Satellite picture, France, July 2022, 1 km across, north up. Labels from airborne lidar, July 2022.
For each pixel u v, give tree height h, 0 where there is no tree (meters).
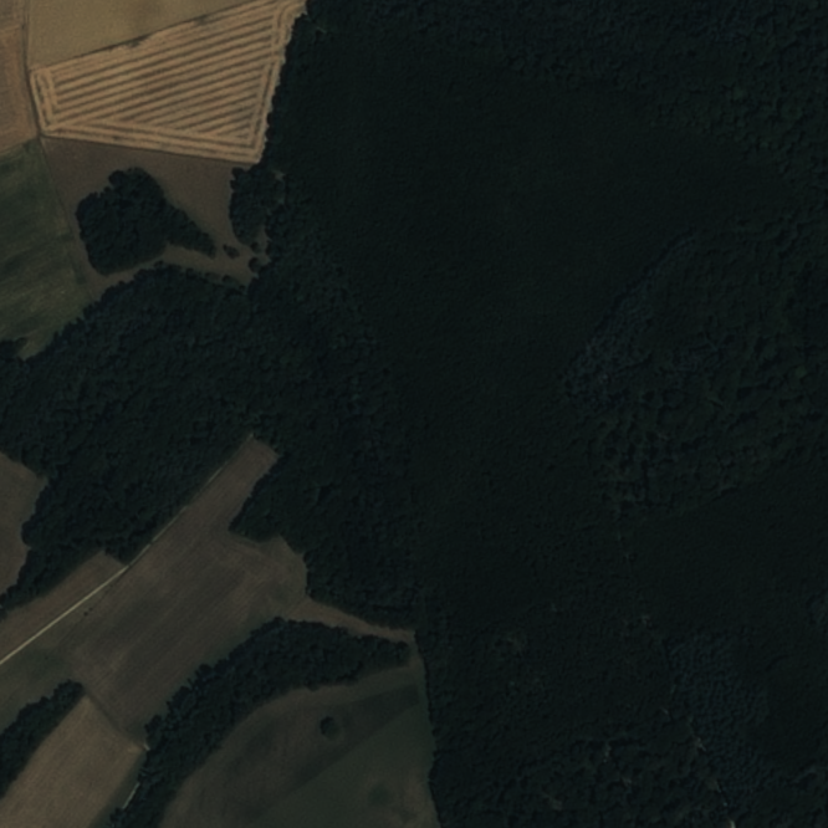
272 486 22
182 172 0
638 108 13
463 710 27
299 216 23
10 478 0
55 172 0
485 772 17
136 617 0
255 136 0
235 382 26
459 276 21
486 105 20
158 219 27
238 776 0
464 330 15
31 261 0
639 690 18
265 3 0
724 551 15
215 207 0
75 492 24
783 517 18
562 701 16
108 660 0
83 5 0
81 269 0
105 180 0
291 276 14
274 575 0
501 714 19
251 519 20
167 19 0
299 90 18
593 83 13
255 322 25
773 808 21
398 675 0
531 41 19
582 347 16
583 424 18
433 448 16
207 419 22
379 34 17
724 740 30
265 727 0
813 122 24
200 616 0
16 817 0
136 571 0
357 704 0
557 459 19
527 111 13
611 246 16
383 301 16
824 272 12
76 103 0
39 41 0
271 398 21
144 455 20
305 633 23
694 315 22
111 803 0
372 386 20
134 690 0
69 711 9
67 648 0
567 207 15
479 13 21
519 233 14
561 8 27
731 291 24
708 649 32
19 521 0
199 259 0
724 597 16
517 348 15
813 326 19
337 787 0
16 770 14
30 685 0
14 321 0
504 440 19
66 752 0
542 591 15
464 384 13
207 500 0
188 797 0
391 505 20
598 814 12
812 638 21
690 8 13
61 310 0
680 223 19
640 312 27
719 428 26
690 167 17
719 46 28
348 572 17
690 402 26
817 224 28
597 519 19
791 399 21
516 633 16
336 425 27
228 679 24
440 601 12
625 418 26
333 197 14
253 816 0
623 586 15
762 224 20
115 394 22
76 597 0
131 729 0
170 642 0
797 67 25
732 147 16
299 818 0
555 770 26
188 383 21
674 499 19
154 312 20
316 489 21
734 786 26
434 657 21
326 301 15
